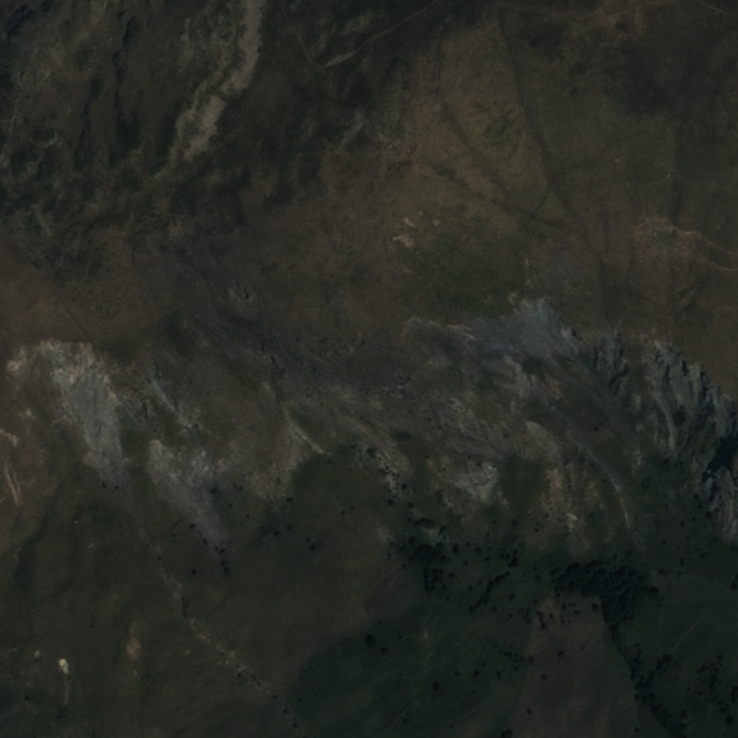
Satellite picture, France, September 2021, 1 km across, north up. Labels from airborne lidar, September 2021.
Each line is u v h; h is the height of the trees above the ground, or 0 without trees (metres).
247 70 0
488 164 0
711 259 0
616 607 16
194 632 0
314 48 0
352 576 0
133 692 0
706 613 0
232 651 0
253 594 0
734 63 0
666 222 0
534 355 0
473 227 0
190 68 0
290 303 0
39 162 0
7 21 0
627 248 0
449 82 0
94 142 0
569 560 0
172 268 0
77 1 0
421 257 0
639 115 0
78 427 0
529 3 0
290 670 0
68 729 0
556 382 0
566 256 0
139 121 0
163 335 0
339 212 0
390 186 0
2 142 0
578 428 0
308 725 0
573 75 0
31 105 0
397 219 0
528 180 0
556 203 0
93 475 0
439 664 0
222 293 0
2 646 0
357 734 0
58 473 0
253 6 0
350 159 0
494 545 0
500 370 0
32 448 0
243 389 0
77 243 0
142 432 0
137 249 0
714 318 0
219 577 0
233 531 0
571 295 0
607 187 0
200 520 0
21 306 0
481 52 0
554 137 0
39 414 0
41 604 0
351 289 0
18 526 0
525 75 0
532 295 0
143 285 0
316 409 0
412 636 0
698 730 0
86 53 0
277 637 0
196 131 0
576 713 0
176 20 0
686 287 0
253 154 0
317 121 0
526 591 0
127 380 0
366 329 0
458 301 0
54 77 0
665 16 0
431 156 0
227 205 0
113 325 0
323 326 0
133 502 0
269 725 0
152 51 0
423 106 0
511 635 0
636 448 0
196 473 0
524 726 0
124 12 0
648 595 13
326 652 0
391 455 0
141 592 0
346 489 0
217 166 0
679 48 0
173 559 0
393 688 0
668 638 0
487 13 0
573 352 0
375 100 0
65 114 0
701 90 0
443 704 0
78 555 0
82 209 0
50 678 0
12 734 0
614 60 0
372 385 0
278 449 0
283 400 0
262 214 0
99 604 0
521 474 0
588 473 0
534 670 0
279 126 0
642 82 0
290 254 0
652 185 0
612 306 0
